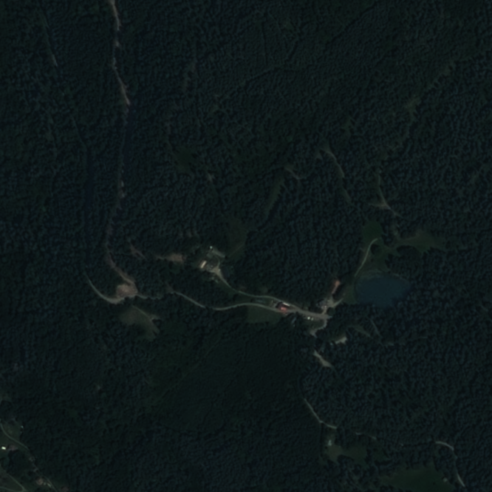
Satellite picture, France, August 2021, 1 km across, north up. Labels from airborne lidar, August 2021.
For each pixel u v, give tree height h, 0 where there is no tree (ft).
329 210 54
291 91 68
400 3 49
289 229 35
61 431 39
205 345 81
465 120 82
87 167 20
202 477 93
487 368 62
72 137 22
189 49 67
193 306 53
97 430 91
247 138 85
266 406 35
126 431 41
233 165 94
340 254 55
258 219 55
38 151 52
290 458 69
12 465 62
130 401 79
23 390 30
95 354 77
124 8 72
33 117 30
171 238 60
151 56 83
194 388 18
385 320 81
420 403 20
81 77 71
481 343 70
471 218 61
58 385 102
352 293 0
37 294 62
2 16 74
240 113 73
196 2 96
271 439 91
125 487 57
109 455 28
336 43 73
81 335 80
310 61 49
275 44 65
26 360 98
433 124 84
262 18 42
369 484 64
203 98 55
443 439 67
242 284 33
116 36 73
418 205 66
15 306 76
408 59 50
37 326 96
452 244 22
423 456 55
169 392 24
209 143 106
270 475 90
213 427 35
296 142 30
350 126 17
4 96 50
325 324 0
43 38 65
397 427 70
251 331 33
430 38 29
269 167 34
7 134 107
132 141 79
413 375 78
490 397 79
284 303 0
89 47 80
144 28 27
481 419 56
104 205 85
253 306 0
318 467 74
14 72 99
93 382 88
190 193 89
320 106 93
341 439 38
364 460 0
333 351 80
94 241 74
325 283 63
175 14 68
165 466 73
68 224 73
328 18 70
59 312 80
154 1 78
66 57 76
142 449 80
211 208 36
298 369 30
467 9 49
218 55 82
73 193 47
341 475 35
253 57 68
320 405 73
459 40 62
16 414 70
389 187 57
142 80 52
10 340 81
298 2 80
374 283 0
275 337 26
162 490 72
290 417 46
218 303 45
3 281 90
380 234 0
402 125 63
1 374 94
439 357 94
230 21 72
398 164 90
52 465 57
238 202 42
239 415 64
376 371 77
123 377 31
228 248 49
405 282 0
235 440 64
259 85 69
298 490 83
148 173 60
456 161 84
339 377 35
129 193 19
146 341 22
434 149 90
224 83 69
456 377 61
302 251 75
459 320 22
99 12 20
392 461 32
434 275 46
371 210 89
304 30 77
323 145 81
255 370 35
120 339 59
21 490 0
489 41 70
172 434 90
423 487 0
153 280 57
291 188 93
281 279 68
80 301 32
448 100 43
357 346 89
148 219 65
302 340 23
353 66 79
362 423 42
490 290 29
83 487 102
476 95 68
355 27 88
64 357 100
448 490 0
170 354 23
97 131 81
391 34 36
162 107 71
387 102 58
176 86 63
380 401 64
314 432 42
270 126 68
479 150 85
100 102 70
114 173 95
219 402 30
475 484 101
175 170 90
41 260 46
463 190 106
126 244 44
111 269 75
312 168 51
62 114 46
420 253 41
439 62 75
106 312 21
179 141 83
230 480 125
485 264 60
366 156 22
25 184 96
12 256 59
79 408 33
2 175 99
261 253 92
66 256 68
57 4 41
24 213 97
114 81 76
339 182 100
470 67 35
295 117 48
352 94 52
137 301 45
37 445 58
